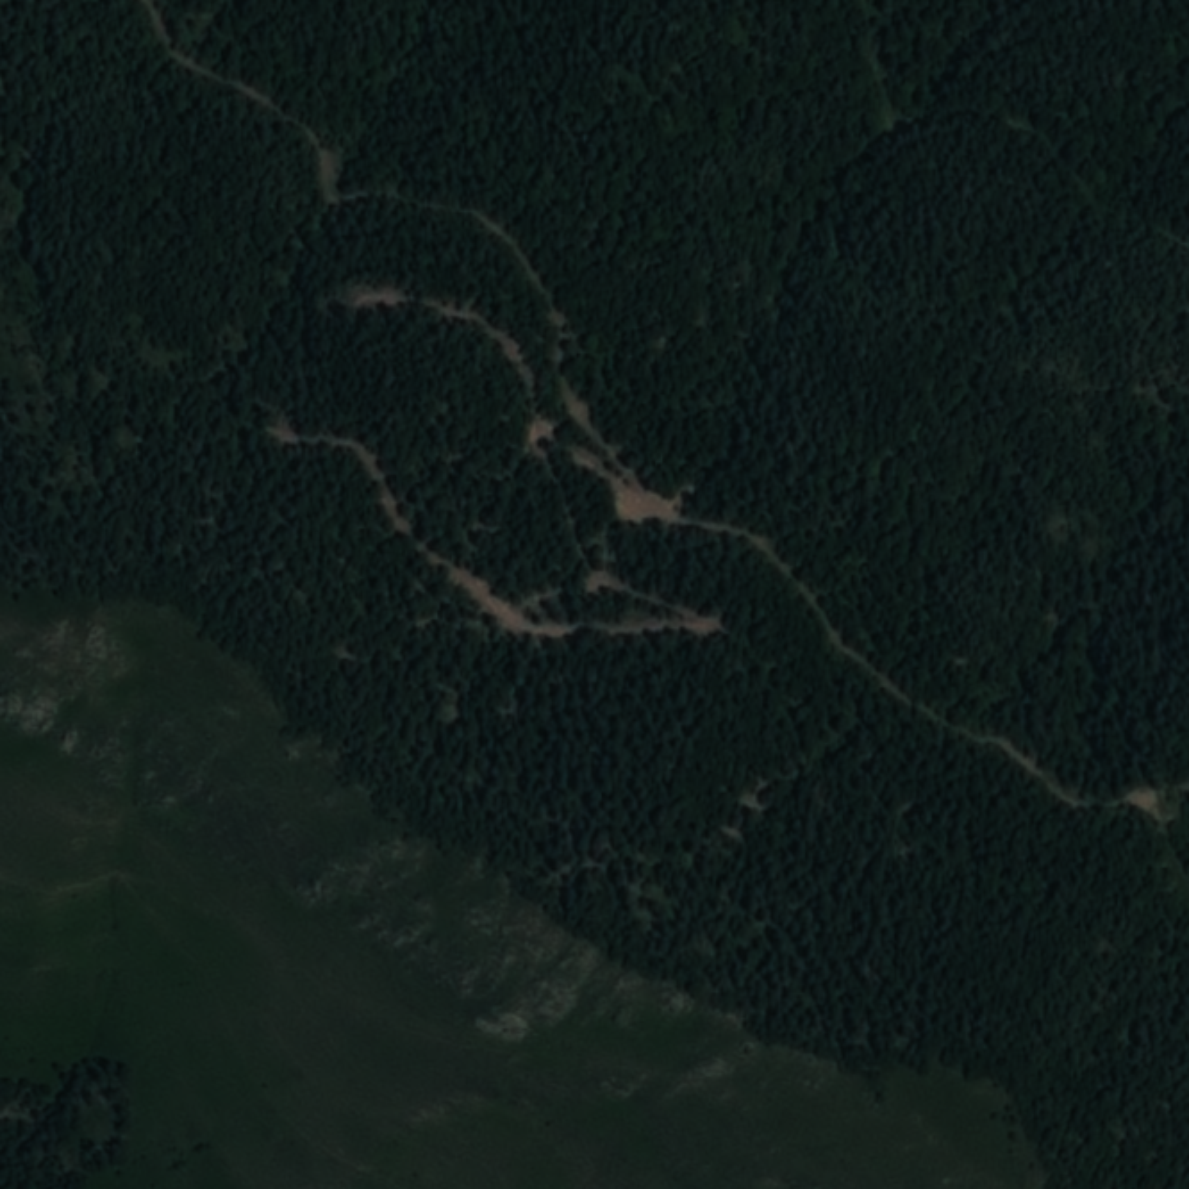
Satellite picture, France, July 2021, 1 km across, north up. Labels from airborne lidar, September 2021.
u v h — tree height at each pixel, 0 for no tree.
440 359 16
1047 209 21
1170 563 15
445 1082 0
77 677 0
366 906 0
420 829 11
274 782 0
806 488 18
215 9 11
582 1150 0
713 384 20
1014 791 22
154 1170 0
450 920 0
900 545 22
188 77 16
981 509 10
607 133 29
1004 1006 21
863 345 22
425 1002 0
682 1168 0
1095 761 12
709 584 33
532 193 23
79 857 0
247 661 8
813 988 20
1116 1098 31
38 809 0
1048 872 20
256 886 0
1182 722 33
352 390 18
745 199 17
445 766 21
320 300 31
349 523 19
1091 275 20
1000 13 43
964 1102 0
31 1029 0
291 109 23
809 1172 0
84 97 23
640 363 15
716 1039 0
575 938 7
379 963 0
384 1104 0
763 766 19
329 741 12
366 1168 0
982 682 11
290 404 25
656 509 0
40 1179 18
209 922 0
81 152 13
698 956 14
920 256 26
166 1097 0
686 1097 0
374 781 15
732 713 30
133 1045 0
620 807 31
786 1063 0
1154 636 30
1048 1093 9
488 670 33
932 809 24
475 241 14
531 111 16
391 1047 0
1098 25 23
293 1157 0
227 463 24
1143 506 30
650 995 0
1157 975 19
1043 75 34
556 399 11
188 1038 0
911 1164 0
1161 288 26
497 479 14
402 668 31
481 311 14
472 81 15
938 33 14
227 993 0
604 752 15
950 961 15
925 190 21
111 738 0
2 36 25
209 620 12
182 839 0
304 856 0
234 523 25
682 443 21
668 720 14
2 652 0
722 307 25
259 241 29
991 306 35
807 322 32
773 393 24
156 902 0
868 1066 13
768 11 33
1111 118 26
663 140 26
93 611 0
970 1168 0
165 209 36
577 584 24
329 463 29
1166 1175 17
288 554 11
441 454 31
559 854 29
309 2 17
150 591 14
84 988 0
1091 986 13
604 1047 0
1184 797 5
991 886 19
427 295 18
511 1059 0
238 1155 0
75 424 21
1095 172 36
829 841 25
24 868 0
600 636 29
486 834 10
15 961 0
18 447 22
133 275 17
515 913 0
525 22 19
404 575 19
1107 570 15
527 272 10
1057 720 36
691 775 16
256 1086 0
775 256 9
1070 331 30
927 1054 20
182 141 20
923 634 23
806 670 18
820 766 8
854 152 39
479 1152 0
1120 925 23
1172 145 21
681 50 26
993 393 23
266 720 0
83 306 14
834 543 15
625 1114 0
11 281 15
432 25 29
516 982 0
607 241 26
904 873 33
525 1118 0
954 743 13
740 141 19
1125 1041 12
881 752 14
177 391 15
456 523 38
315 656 13
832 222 25
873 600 21
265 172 18
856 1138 0
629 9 23
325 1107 0
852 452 26
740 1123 0
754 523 12
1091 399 15
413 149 23
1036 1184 0
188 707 0
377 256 23
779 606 24
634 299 20
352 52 17
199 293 13
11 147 18
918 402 20
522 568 34
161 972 0
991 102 34
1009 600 17
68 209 18
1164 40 9
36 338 9
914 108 8
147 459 19
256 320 14
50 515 21
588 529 19
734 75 24
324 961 0
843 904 27
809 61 19
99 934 0
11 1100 17
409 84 23
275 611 18
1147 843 15
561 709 24
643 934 14
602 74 22
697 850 31
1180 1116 22
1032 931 17
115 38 16
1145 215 21
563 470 22
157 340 13
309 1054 0
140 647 0
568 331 10
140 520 23
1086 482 26
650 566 17
